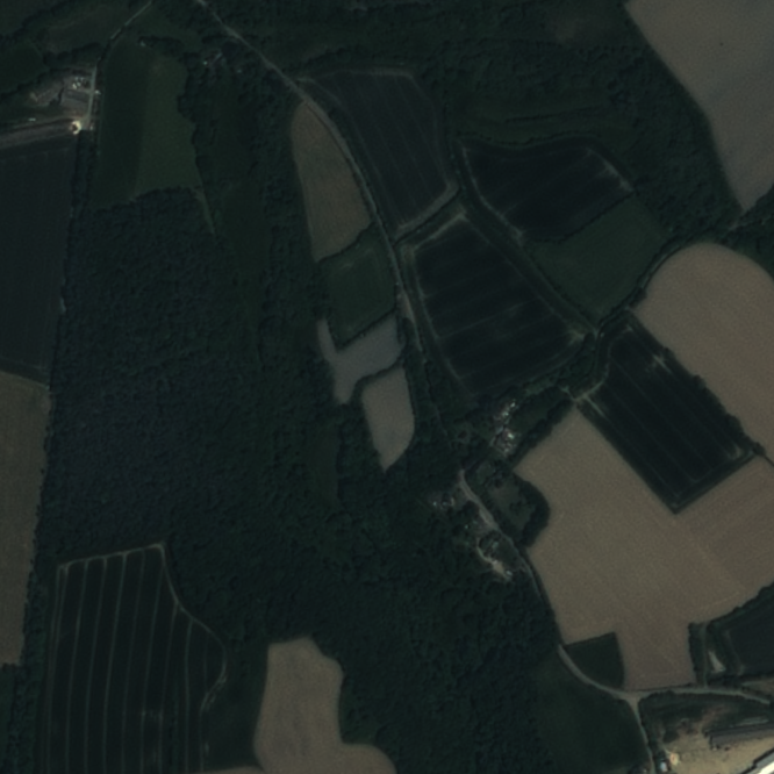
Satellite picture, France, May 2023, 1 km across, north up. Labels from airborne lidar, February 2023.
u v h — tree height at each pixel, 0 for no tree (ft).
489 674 65
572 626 0
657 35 0
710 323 0
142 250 77
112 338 74
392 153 0
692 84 0
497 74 26
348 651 46
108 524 66
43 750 0
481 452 52
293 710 0
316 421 55
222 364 66
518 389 31
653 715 0
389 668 76
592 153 0
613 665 0
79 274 68
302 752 0
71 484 59
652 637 0
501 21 22
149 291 69
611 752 0
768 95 0
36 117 0
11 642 0
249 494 67
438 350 0
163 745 0
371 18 62
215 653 0
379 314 0
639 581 0
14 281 0
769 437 0
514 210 0
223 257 60
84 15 0
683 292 0
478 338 0
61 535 60
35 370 0
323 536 34
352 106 0
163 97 0
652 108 23
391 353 0
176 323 49
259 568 79
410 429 0
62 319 27
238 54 99
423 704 70
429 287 0
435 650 69
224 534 68
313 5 55
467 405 0
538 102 0
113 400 57
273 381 33
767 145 0
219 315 70
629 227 0
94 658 0
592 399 0
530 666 35
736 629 0
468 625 43
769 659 0
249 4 24
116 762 0
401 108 0
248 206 0
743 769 0
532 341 0
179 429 67
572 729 0
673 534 0
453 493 31
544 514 42
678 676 0
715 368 0
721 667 0
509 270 0
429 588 73
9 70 0
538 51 29
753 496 0
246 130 0
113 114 0
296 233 23
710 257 0
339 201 0
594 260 0
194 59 57
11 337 0
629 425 0
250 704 0
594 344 32
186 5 47
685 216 58
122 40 0
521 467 0
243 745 0
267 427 63
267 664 0
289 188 50
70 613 0
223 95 0
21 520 0
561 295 18
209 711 0
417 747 50
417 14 65
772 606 0
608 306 0
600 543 0
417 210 0
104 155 0
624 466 0
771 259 31
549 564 0
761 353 0
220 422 65
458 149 0
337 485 0
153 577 0
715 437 0
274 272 32
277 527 28
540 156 0
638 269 0
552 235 0
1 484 0
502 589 34
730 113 0
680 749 0
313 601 65
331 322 26
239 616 31
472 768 41
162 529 42
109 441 65
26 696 39
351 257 0
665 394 0
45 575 44
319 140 0
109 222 63
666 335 0
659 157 17
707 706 0
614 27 0
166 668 0
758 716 0
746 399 0
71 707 0
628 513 0
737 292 0
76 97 0
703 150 22
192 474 50
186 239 71
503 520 42
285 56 0
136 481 56
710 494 0
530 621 27
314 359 105
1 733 0
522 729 49
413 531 63
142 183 0
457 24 25
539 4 20
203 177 21
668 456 0
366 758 0
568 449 0
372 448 21
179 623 0
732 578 0
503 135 0
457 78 48
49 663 0
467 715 68
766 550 0
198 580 73
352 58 23
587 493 0
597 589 0
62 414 65
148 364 75
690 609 0
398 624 67
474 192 0
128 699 0
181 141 0
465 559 31
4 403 0
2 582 0
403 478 45
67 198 0
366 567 73
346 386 0
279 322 41
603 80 24
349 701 0
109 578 0
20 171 0
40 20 46
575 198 0
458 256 0
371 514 66
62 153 0
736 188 0
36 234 0
